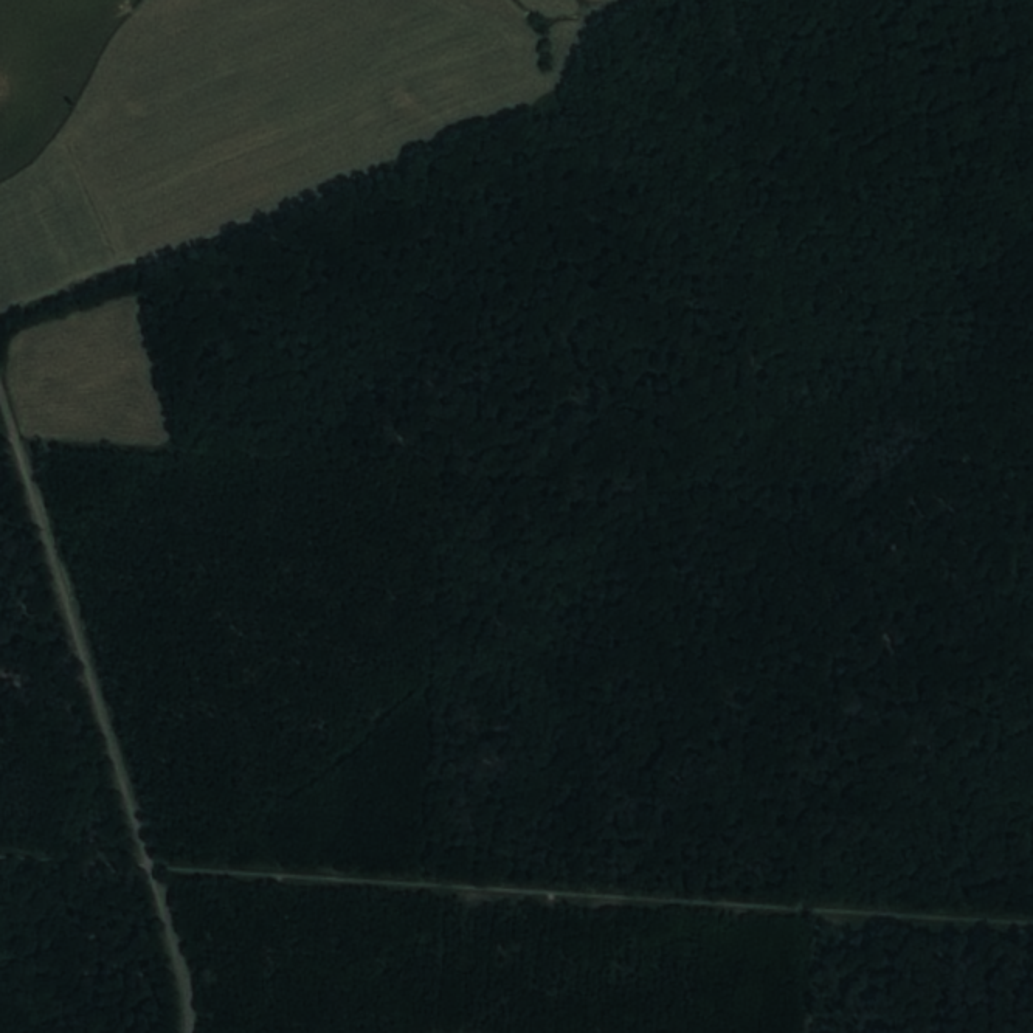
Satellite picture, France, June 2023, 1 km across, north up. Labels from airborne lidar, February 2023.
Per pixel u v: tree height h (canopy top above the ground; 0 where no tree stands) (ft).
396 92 0
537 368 104
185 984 0
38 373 0
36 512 0
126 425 0
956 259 82
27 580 113
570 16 0
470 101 0
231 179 0
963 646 89
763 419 80
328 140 0
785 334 87
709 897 87
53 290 0
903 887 91
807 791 94
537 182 85
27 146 0
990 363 88
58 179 0
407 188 81
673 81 71
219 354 96
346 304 84
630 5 67
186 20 0
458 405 111
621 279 91
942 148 91
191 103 0
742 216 79
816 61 95
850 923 0
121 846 84
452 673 73
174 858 57
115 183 0
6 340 60
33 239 0
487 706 91
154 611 63
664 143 67
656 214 89
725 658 91
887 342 80
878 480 74
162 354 73
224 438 80
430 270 65
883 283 83
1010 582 81
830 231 91
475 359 104
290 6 0
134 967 83
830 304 78
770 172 92
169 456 50
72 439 0
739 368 85
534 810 86
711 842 108
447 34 0
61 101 0
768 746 99
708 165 70
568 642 81
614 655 88
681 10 76
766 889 69
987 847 98
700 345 97
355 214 94
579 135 81
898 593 101
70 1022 88
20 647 84
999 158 81
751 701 102
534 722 93
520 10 0
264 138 0
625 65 77
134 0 0
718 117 79
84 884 63
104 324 0
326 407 88
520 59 0
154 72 0
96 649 60
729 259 92
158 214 0
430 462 97
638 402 97
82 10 0
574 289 102
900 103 82
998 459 83
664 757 100
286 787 53
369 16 0
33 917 77
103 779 64
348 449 89
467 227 93
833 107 87
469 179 97
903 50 102
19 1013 75
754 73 94
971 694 97
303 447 77
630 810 101
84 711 79
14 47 0
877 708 97
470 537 90
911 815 76
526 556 80
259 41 0
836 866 73
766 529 99
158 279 96
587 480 94
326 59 0
